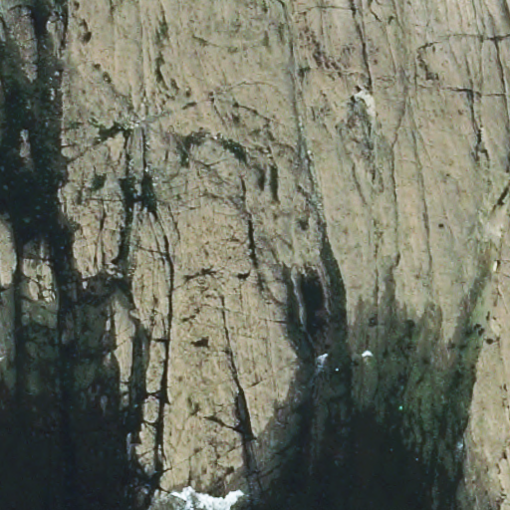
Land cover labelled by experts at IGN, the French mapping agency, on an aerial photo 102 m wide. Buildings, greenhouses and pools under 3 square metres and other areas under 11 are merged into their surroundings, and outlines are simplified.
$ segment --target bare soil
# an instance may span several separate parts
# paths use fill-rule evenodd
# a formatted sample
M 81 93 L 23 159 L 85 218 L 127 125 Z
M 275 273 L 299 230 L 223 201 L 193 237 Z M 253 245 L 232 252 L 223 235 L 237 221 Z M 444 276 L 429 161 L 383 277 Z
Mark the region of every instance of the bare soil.
M 0 221 L 0 283 L 10 285 L 12 273 L 16 269 L 16 253 L 8 227 Z
M 22 72 L 28 80 L 36 78 L 36 40 L 28 14 L 28 0 L 0 0 L 0 42 L 16 42 L 18 52 L 24 60 Z
M 52 303 L 56 295 L 52 291 L 50 265 L 38 265 L 32 259 L 24 259 L 22 273 L 28 277 L 28 295 L 38 305 Z
M 243 444 L 239 432 L 235 432 L 235 394 L 245 392 L 253 434 L 265 430 L 273 416 L 273 404 L 285 402 L 289 384 L 297 373 L 297 353 L 287 341 L 283 327 L 285 287 L 281 285 L 281 271 L 287 265 L 293 283 L 299 281 L 299 275 L 313 273 L 317 273 L 321 285 L 327 283 L 329 275 L 321 261 L 321 247 L 327 243 L 331 243 L 333 257 L 337 259 L 343 277 L 349 325 L 357 323 L 359 299 L 382 305 L 386 289 L 384 279 L 394 277 L 396 303 L 406 305 L 406 313 L 412 321 L 420 319 L 428 325 L 428 329 L 438 331 L 442 343 L 452 341 L 458 317 L 464 311 L 470 311 L 472 323 L 484 329 L 480 337 L 480 357 L 476 365 L 476 382 L 470 402 L 470 422 L 464 432 L 464 438 L 456 444 L 458 450 L 466 452 L 464 484 L 458 488 L 458 502 L 462 510 L 510 510 L 510 0 L 68 0 L 68 32 L 64 30 L 62 22 L 50 20 L 46 24 L 46 30 L 52 38 L 54 56 L 64 64 L 64 78 L 60 84 L 60 141 L 62 155 L 68 157 L 70 165 L 68 183 L 58 189 L 58 201 L 60 211 L 66 213 L 74 223 L 80 223 L 82 227 L 74 233 L 74 261 L 76 269 L 82 275 L 82 289 L 88 289 L 88 279 L 96 273 L 114 275 L 114 259 L 120 247 L 120 227 L 124 225 L 124 195 L 120 187 L 122 177 L 133 177 L 133 195 L 141 195 L 141 177 L 143 173 L 149 173 L 155 191 L 155 211 L 149 213 L 139 203 L 133 203 L 127 255 L 129 259 L 135 259 L 131 293 L 137 319 L 151 333 L 149 363 L 145 371 L 147 398 L 143 402 L 143 420 L 137 444 L 137 458 L 143 464 L 143 468 L 133 478 L 133 486 L 139 490 L 139 510 L 231 510 L 233 504 L 243 496 L 241 488 L 245 486 Z
M 127 381 L 131 373 L 131 339 L 135 333 L 133 325 L 126 319 L 124 309 L 116 315 L 116 359 L 120 365 L 120 390 L 127 390 Z

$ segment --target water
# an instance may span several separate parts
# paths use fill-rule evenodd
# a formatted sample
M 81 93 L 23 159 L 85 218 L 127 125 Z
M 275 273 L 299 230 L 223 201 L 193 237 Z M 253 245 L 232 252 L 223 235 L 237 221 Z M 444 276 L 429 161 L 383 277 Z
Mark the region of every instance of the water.
M 428 325 L 420 319 L 412 321 L 406 313 L 406 305 L 396 303 L 394 277 L 384 279 L 386 289 L 382 305 L 359 299 L 357 323 L 349 325 L 343 277 L 337 259 L 333 257 L 331 243 L 327 243 L 321 247 L 321 261 L 329 275 L 327 283 L 321 285 L 317 273 L 313 273 L 299 275 L 299 281 L 293 283 L 287 265 L 281 271 L 281 285 L 285 287 L 283 327 L 287 341 L 297 353 L 297 373 L 289 384 L 285 402 L 273 404 L 273 416 L 265 430 L 253 434 L 245 392 L 235 394 L 235 432 L 239 432 L 243 444 L 245 486 L 241 488 L 243 496 L 233 504 L 231 510 L 462 510 L 458 502 L 458 488 L 464 484 L 466 452 L 458 450 L 456 444 L 464 438 L 464 432 L 470 422 L 470 402 L 476 382 L 476 365 L 480 357 L 480 337 L 484 329 L 472 323 L 470 311 L 464 311 L 458 317 L 452 341 L 442 343 L 438 331 L 428 329 Z
M 16 269 L 12 273 L 10 285 L 0 283 L 0 510 L 139 510 L 139 490 L 133 486 L 133 478 L 143 468 L 143 464 L 137 458 L 137 444 L 143 420 L 143 402 L 147 398 L 145 371 L 149 363 L 151 333 L 137 319 L 131 293 L 135 259 L 129 259 L 127 255 L 133 203 L 139 203 L 149 213 L 155 211 L 155 191 L 149 173 L 143 173 L 141 177 L 141 195 L 133 195 L 133 177 L 122 177 L 120 187 L 124 195 L 124 225 L 120 227 L 120 247 L 114 259 L 114 275 L 96 273 L 88 279 L 88 289 L 82 289 L 82 275 L 76 269 L 74 261 L 74 233 L 82 227 L 80 223 L 74 223 L 66 213 L 60 211 L 58 201 L 58 189 L 68 183 L 70 165 L 68 157 L 62 155 L 60 141 L 60 84 L 64 78 L 64 64 L 54 56 L 52 38 L 46 30 L 46 24 L 50 20 L 62 22 L 64 30 L 68 32 L 68 0 L 28 0 L 28 14 L 36 40 L 36 78 L 28 80 L 22 72 L 24 60 L 18 52 L 16 42 L 0 42 L 0 221 L 8 227 L 16 253 Z M 38 305 L 28 295 L 28 277 L 22 273 L 24 259 L 32 259 L 38 265 L 50 265 L 52 291 L 56 295 L 52 303 Z M 116 315 L 124 309 L 126 319 L 133 325 L 135 333 L 131 339 L 131 373 L 127 381 L 127 390 L 120 390 L 120 365 L 116 359 Z

